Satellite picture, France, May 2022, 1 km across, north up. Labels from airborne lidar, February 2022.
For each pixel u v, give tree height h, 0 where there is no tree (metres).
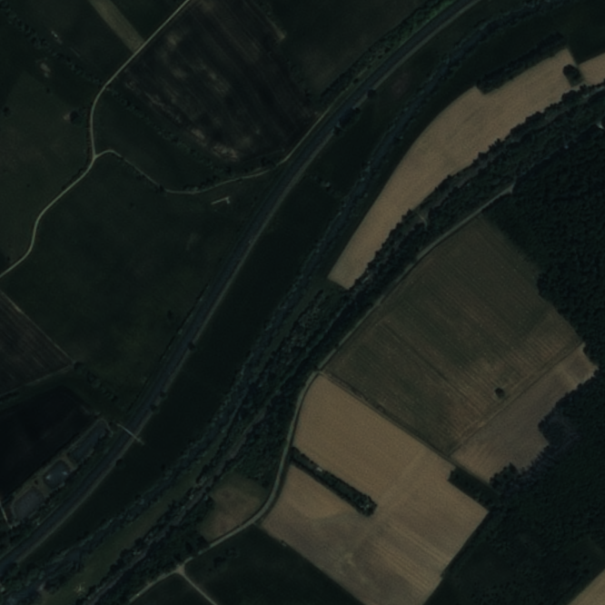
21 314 0
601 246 26
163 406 0
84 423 0
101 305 0
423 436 0
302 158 0
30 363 0
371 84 0
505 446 0
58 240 0
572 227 26
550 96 0
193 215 0
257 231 0
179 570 0
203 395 0
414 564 0
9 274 0
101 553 0
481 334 0
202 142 0
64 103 0
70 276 0
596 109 16
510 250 0
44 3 0
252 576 0
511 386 0
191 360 0
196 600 0
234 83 0
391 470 0
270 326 7
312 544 0
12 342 0
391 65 0
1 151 0
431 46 0
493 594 0
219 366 0
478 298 0
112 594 16
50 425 0
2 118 0
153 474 0
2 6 14
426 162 0
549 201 20
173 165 0
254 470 9
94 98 0
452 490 0
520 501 21
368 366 0
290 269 0
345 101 0
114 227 0
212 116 0
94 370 0
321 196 0
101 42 0
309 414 0
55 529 0
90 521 0
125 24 0
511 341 0
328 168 0
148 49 0
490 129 0
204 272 0
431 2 9
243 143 0
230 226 0
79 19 0
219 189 0
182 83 0
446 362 0
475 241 0
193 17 0
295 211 0
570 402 15
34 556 0
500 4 0
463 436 0
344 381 0
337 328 16
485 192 10
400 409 0
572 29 0
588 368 0
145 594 0
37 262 0
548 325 0
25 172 0
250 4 0
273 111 0
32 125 0
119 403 7
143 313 0
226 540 0
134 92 0
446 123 0
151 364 0
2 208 0
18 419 0
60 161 0
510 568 0
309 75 0
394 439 0
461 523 0
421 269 0
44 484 0
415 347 0
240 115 0
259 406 12
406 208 0
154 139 0
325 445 0
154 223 0
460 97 0
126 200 0
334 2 0
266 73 0
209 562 0
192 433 0
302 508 0
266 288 0
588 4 0
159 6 0
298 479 0
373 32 0
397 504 0
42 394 0
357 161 0
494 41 0
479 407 0
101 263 0
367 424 0
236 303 0
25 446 0
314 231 0
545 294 17
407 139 0
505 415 0
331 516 0
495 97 0
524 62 12
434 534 0
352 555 0
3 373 0
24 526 11
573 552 0
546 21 0
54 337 0
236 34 0
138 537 0
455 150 0
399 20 0
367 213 0
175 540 0
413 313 0
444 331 0
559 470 21
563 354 0
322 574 0
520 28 0
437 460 0
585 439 23
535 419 0
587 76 0
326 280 0
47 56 0
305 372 17
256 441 13
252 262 0
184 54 0
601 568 0
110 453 0
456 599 0
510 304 0
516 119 0
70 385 0
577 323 16
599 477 21
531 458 0
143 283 0
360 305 16
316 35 0
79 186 0
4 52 0
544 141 12
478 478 0
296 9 0
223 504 0
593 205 25
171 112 0
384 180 0
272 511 0
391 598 0
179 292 0
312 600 0
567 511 21
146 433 0
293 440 0
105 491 0
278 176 0
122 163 6
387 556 0
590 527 22
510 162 12
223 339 0
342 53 0
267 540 0
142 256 0
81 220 0
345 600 0
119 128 0
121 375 0
